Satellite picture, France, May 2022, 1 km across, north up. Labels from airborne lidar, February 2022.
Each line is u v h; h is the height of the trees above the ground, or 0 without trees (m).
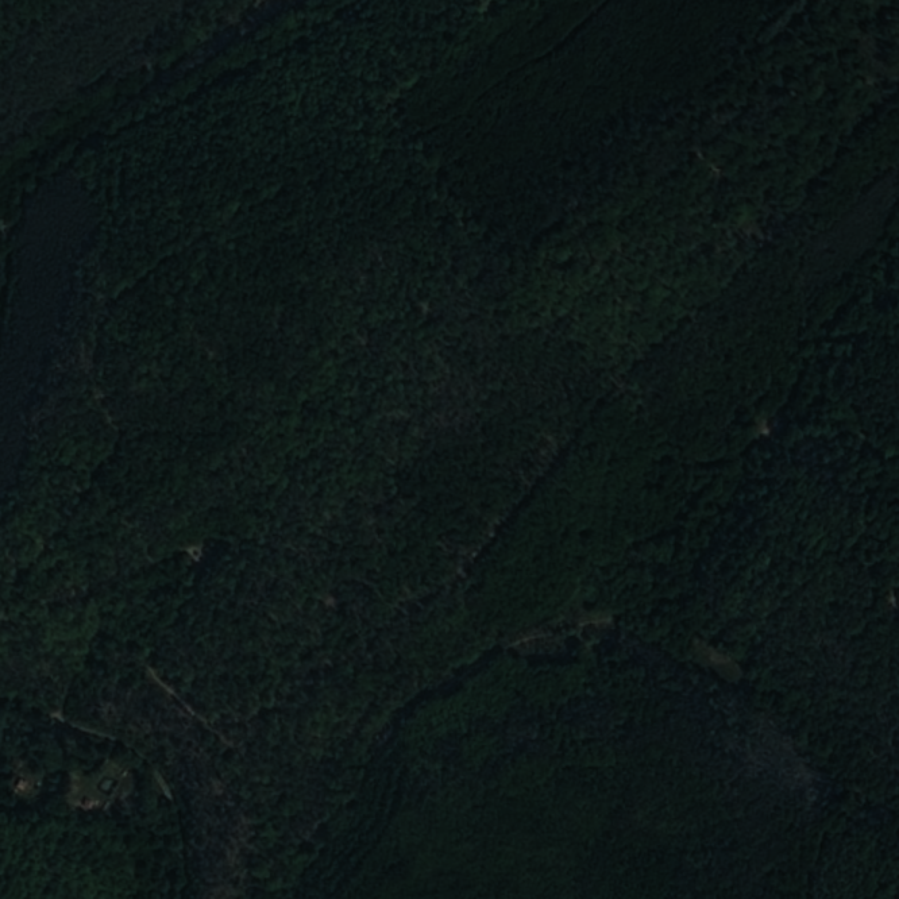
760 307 27
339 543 25
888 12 33
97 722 30
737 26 16
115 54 23
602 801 20
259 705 8
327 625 21
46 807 16
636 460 34
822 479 31
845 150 23
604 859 22
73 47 25
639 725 22
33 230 18
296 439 33
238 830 31
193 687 29
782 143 29
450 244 22
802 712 38
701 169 29
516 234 15
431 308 26
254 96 29
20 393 17
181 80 30
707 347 28
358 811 17
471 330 22
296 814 30
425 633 29
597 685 23
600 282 27
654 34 15
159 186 30
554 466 28
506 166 15
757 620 31
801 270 18
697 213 28
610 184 23
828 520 26
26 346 17
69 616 26
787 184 27
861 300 31
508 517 25
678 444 27
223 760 31
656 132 21
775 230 31
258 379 28
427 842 0
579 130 14
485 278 24
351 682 29
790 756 32
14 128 29
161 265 27
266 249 27
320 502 26
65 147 27
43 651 29
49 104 23
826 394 35
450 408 21
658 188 25
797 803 21
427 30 29
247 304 27
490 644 24
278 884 23
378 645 27
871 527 27
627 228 27
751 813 22
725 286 23
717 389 30
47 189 18
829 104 27
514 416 24
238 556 33
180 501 25
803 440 39
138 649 19
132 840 26
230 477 28
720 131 29
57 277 17
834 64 18
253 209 25
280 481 29
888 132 24
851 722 25
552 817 12
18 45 26
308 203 25
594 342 0
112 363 28
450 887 21
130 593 38
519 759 21
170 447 25
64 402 27
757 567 28
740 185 31
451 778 22
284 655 23
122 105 33
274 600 27
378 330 30
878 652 28
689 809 16
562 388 22
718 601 29
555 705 27
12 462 18
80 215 18
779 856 22
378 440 27
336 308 26
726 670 0
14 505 28
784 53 33
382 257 26
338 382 31
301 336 23
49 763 29
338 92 27
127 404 25
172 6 20
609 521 30
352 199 29
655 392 28
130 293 27
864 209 16
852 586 29
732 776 18
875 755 31
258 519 29
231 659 28
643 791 20
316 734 29
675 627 32
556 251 30
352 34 26
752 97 26
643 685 26
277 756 28
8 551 28
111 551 25
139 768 24
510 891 20
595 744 25
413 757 15
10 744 21
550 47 11
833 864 24
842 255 16
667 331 26
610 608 21
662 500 30
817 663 29
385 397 27
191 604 32
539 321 24
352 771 23
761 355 30
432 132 12
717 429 31
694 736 23
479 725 24
